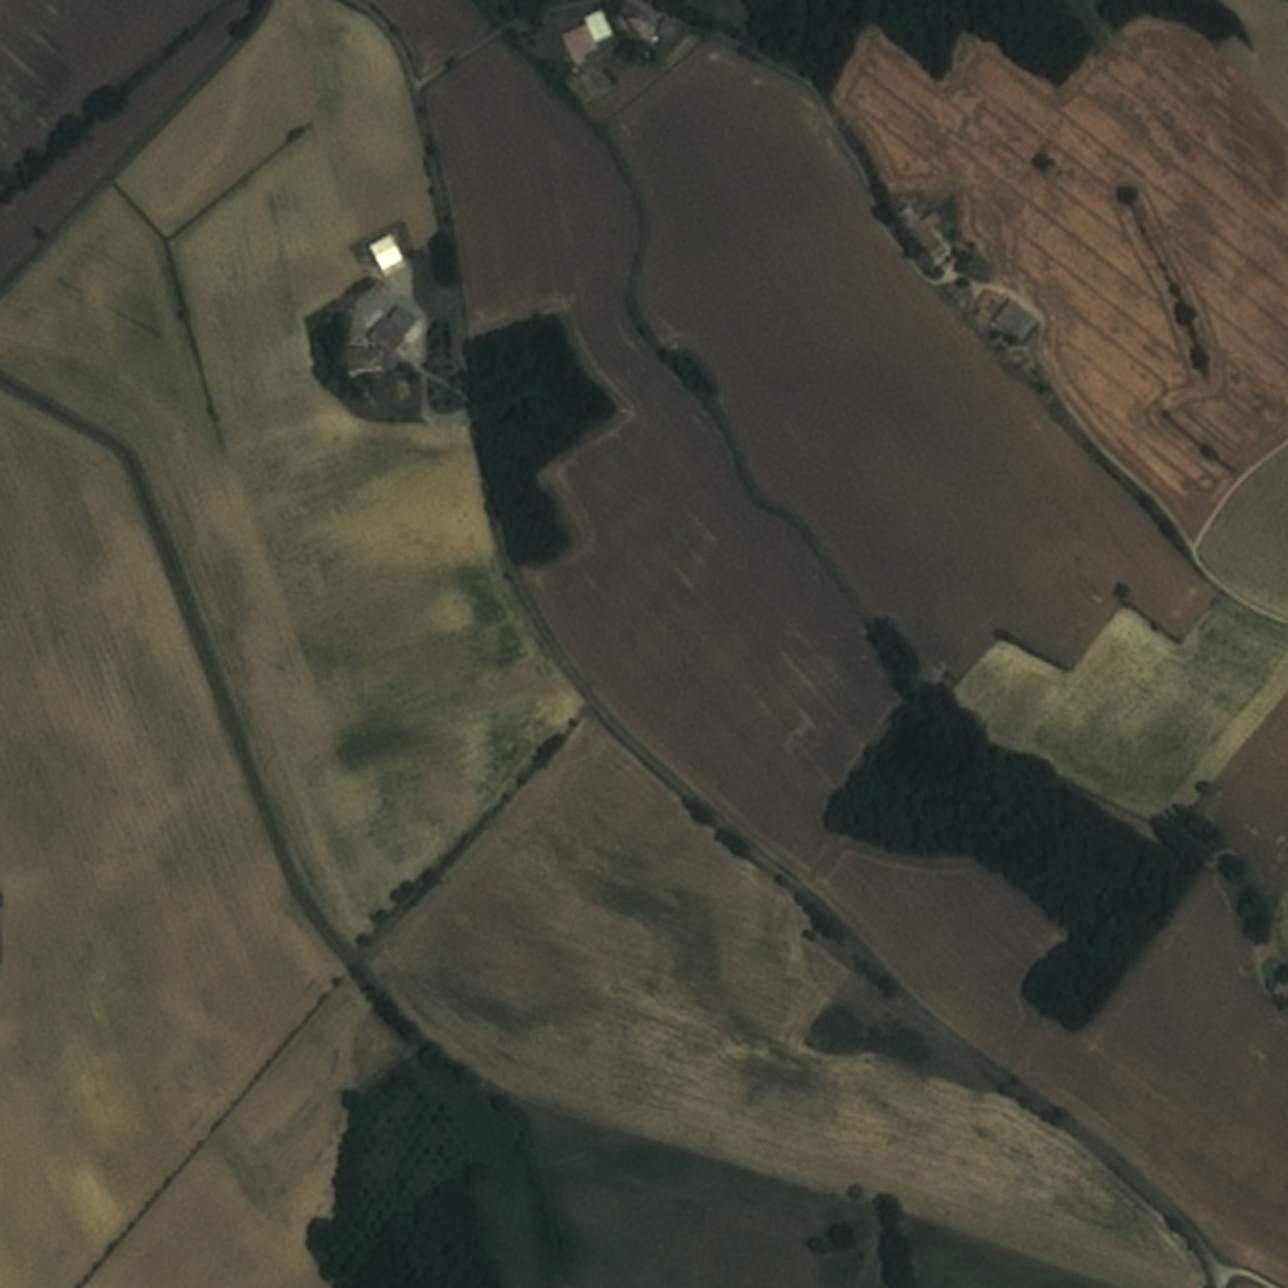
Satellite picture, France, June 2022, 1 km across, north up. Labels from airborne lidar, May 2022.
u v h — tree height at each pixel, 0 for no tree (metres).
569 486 0
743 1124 0
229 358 0
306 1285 0
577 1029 0
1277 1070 0
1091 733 0
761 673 0
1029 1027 0
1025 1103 8
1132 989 0
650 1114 0
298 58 0
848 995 0
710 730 0
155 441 0
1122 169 0
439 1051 9
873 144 0
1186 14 6
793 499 0
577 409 11
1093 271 0
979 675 0
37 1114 0
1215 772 0
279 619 0
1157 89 0
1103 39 0
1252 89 0
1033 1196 0
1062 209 0
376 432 0
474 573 0
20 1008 0
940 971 0
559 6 0
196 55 0
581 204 0
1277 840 0
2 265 0
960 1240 0
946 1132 0
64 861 0
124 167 0
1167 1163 0
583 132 0
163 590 0
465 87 0
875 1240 0
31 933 0
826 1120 0
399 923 0
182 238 0
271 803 0
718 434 0
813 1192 0
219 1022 0
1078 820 24
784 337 0
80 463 0
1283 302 0
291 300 0
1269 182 0
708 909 0
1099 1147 0
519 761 0
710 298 0
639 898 0
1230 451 0
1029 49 20
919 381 0
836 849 0
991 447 0
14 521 0
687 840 0
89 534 0
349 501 0
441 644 0
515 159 0
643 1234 0
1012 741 0
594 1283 0
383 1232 13
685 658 0
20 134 0
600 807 0
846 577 0
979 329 0
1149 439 0
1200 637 0
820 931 11
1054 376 0
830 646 0
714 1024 0
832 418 0
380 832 0
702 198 0
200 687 0
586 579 0
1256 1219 0
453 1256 21
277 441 0
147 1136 0
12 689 0
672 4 10
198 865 0
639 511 0
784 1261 0
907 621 0
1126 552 0
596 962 0
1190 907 0
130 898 0
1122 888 8
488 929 0
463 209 0
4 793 0
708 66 0
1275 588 0
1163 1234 0
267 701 0
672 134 0
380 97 0
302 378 0
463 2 0
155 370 0
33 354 0
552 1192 0
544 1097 0
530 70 0
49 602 0
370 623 0
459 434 0
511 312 0
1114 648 0
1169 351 0
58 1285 0
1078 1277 0
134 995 0
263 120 0
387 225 0
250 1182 0
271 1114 0
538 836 0
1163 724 0
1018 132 0
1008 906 0
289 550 0
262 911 0
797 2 13
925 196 0
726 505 0
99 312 0
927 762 21
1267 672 0
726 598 0
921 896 0
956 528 0
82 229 0
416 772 0
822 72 15
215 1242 0
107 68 0
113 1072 0
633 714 0
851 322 0
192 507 0
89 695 0
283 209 0
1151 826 0
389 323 0
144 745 0
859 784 20
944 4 15
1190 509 0
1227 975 0
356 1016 0
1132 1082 0
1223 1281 0
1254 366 0
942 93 0
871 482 0
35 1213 0
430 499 0
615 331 0
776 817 0
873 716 0
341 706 0
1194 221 0
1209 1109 0
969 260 10
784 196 0
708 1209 0
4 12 0
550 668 0
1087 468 0
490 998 0
